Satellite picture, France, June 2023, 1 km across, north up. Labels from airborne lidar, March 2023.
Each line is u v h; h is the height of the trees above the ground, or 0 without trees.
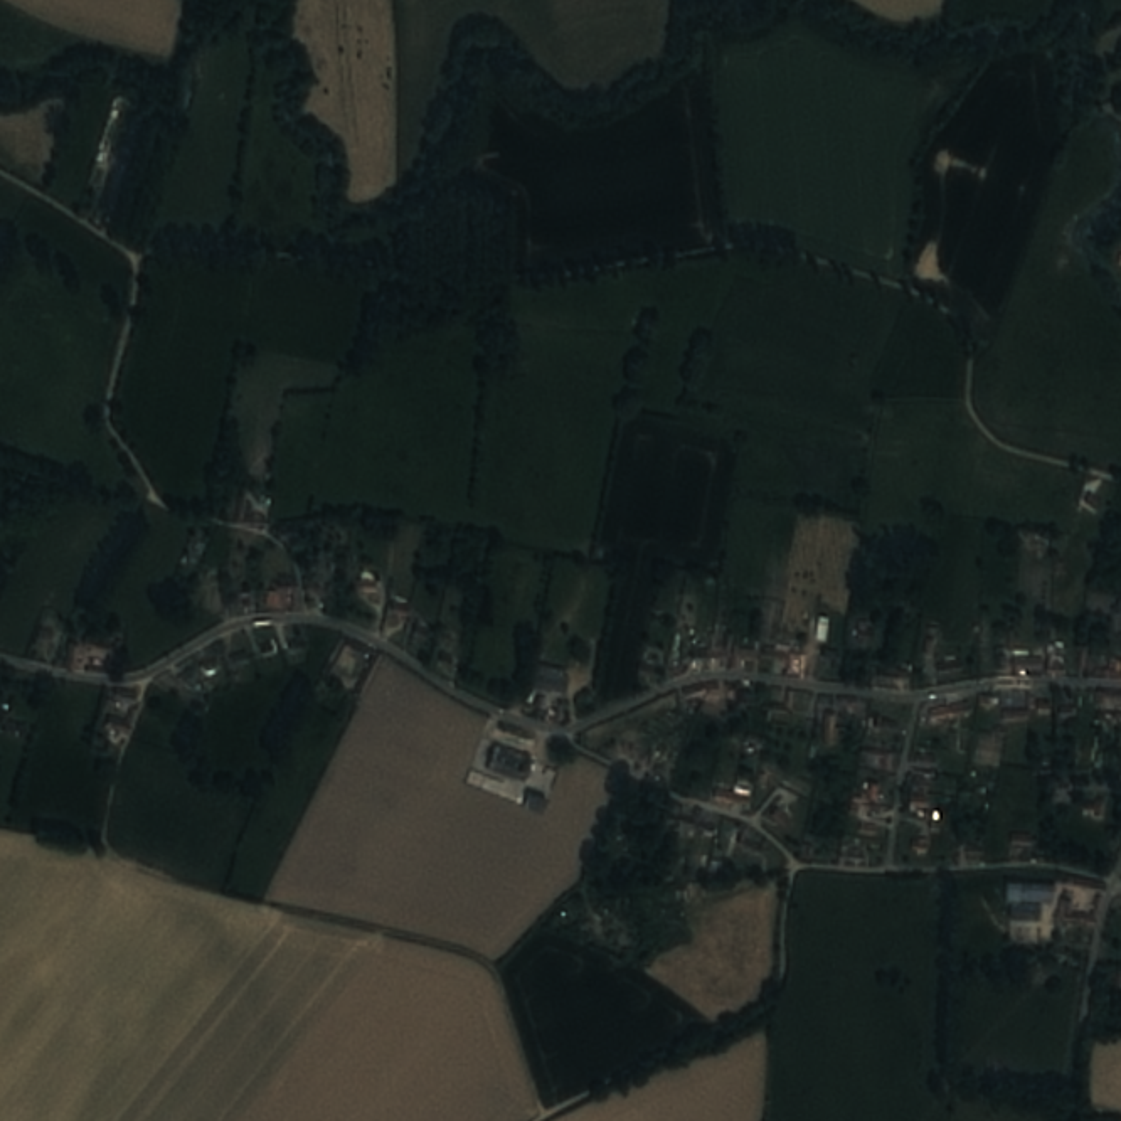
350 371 11
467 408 0
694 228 0
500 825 0
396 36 0
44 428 0
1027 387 0
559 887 0
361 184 0
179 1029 0
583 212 0
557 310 0
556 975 0
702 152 0
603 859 25
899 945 0
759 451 0
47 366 0
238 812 0
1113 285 18
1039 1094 25
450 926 0
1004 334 0
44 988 0
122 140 0
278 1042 0
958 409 0
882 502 0
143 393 0
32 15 0
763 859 0
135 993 0
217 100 0
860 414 0
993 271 0
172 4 0
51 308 0
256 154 0
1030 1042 0
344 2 0
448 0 0
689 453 0
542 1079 0
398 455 0
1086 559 0
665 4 0
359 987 0
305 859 0
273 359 0
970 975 28
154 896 0
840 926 0
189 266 0
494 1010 0
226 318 0
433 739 0
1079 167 0
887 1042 0
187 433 0
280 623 0
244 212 0
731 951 0
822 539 0
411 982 0
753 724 0
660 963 0
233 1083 0
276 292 0
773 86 0
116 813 0
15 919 0
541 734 0
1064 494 0
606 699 0
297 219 0
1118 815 12
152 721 0
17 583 0
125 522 0
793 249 32
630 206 0
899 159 0
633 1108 0
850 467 0
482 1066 0
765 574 0
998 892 0
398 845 0
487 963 0
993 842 0
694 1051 13
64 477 13
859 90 0
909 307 0
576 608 0
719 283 0
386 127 0
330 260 35
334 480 0
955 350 0
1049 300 0
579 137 0
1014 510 0
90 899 0
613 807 11
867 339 0
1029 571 0
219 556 0
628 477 0
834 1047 0
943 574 0
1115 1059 0
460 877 0
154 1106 0
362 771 0
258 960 0
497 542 18
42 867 0
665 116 0
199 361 0
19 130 0
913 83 0
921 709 0
